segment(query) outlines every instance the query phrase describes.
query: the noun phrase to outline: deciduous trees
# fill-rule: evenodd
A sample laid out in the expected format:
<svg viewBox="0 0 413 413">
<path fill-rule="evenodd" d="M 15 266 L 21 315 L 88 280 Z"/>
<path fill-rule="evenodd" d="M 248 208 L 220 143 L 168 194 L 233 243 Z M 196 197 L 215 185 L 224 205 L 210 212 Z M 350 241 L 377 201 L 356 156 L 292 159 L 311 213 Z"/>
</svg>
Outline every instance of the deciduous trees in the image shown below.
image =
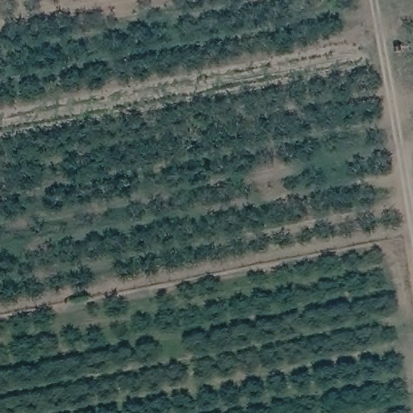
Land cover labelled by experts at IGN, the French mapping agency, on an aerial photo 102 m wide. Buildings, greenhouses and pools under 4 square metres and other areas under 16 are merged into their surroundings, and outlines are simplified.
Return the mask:
<svg viewBox="0 0 413 413">
<path fill-rule="evenodd" d="M 381 248 L 361 260 L 357 255 L 348 255 L 345 260 L 327 257 L 319 260 L 316 265 L 297 266 L 295 271 L 298 276 L 310 276 L 313 271 L 318 273 L 318 281 L 310 286 L 290 282 L 287 286 L 271 290 L 257 287 L 250 295 L 234 294 L 232 297 L 218 300 L 206 300 L 205 305 L 200 307 L 187 305 L 184 308 L 174 308 L 174 298 L 166 290 L 165 295 L 156 300 L 156 313 L 136 311 L 131 321 L 110 324 L 111 331 L 119 340 L 115 345 L 106 342 L 102 329 L 90 332 L 87 331 L 87 327 L 73 327 L 73 331 L 68 334 L 63 331 L 50 331 L 50 319 L 55 318 L 55 311 L 52 308 L 40 313 L 26 311 L 26 316 L 13 326 L 13 337 L 10 342 L 0 344 L 0 413 L 394 413 L 407 408 L 405 405 L 392 403 L 395 398 L 403 398 L 408 394 L 407 381 L 403 378 L 392 378 L 387 382 L 365 381 L 360 386 L 347 384 L 332 387 L 324 390 L 323 395 L 273 397 L 269 403 L 261 403 L 260 397 L 265 390 L 281 392 L 290 382 L 297 389 L 310 386 L 310 381 L 315 381 L 321 387 L 324 382 L 357 379 L 360 374 L 365 373 L 381 374 L 402 365 L 402 353 L 398 357 L 387 358 L 384 353 L 378 355 L 368 352 L 361 353 L 360 357 L 353 360 L 352 365 L 345 363 L 337 366 L 337 361 L 332 361 L 331 368 L 313 369 L 311 365 L 307 366 L 307 373 L 300 376 L 279 371 L 282 363 L 311 360 L 316 363 L 319 360 L 329 360 L 331 353 L 339 350 L 353 352 L 357 350 L 358 345 L 382 344 L 387 340 L 397 339 L 394 326 L 381 323 L 384 316 L 394 315 L 397 311 L 398 300 L 395 290 L 379 290 L 361 297 L 337 297 L 332 300 L 326 298 L 327 292 L 365 289 L 368 276 L 376 276 L 381 268 L 363 273 L 358 271 L 358 265 L 361 261 L 381 263 L 384 260 L 384 253 Z M 144 329 L 148 332 L 150 327 L 165 332 L 179 332 L 184 348 L 192 353 L 192 360 L 182 363 L 176 358 L 171 358 L 168 363 L 142 366 L 134 371 L 116 371 L 98 378 L 63 381 L 63 376 L 79 373 L 82 368 L 98 369 L 121 363 L 126 365 L 132 361 L 144 363 L 150 358 L 160 357 L 160 340 L 153 339 L 152 336 L 139 337 L 136 344 L 127 342 L 132 332 Z M 87 342 L 89 348 L 82 352 L 71 350 L 61 353 L 58 350 L 58 337 L 63 336 L 68 345 Z M 224 374 L 244 371 L 244 381 L 223 382 L 218 389 L 203 384 L 198 387 L 197 394 L 187 392 L 184 397 L 174 397 L 171 392 L 160 392 L 147 397 L 126 397 L 123 408 L 118 410 L 116 407 L 116 386 L 129 390 L 156 389 L 166 382 L 176 384 L 184 381 L 187 371 L 194 371 L 195 378 L 218 378 Z"/>
<path fill-rule="evenodd" d="M 366 142 L 374 148 L 371 156 L 368 158 L 353 155 L 353 161 L 347 161 L 348 177 L 378 176 L 390 173 L 392 169 L 392 155 L 386 147 L 387 134 L 384 129 L 379 129 L 366 131 Z"/>
<path fill-rule="evenodd" d="M 126 232 L 105 229 L 102 234 L 89 232 L 81 240 L 63 237 L 53 244 L 52 240 L 45 240 L 37 245 L 37 250 L 23 250 L 18 257 L 6 250 L 0 252 L 0 303 L 16 302 L 19 297 L 39 297 L 44 292 L 65 287 L 90 286 L 94 282 L 94 273 L 82 265 L 82 257 L 97 260 L 98 257 L 108 255 L 113 260 L 116 276 L 119 279 L 127 279 L 136 277 L 137 274 L 155 274 L 161 268 L 177 269 L 198 261 L 226 260 L 229 257 L 242 257 L 245 253 L 263 252 L 268 245 L 286 247 L 305 244 L 313 237 L 329 239 L 334 236 L 352 236 L 353 232 L 371 232 L 378 226 L 397 227 L 402 223 L 402 216 L 394 208 L 382 211 L 381 218 L 374 218 L 371 211 L 363 211 L 358 213 L 357 218 L 345 218 L 344 223 L 316 223 L 313 227 L 305 227 L 298 234 L 274 232 L 269 236 L 261 234 L 252 240 L 237 239 L 223 245 L 192 247 L 192 240 L 195 237 L 206 239 L 223 234 L 236 234 L 244 229 L 253 231 L 255 227 L 297 223 L 307 216 L 307 205 L 313 206 L 313 213 L 340 213 L 350 210 L 352 206 L 374 205 L 378 197 L 376 187 L 373 186 L 357 184 L 329 187 L 327 190 L 315 190 L 311 194 L 287 195 L 286 198 L 277 198 L 260 206 L 232 206 L 227 210 L 210 211 L 198 218 L 182 216 L 156 219 L 144 226 L 132 227 L 131 231 Z M 35 279 L 34 269 L 42 269 L 53 263 L 76 263 L 79 271 L 55 274 L 39 281 Z"/>
<path fill-rule="evenodd" d="M 136 190 L 145 190 L 155 184 L 166 186 L 168 200 L 163 200 L 161 194 L 156 194 L 148 197 L 148 203 L 129 202 L 123 208 L 108 208 L 103 211 L 103 216 L 115 221 L 156 215 L 169 206 L 173 210 L 187 210 L 192 203 L 211 205 L 231 202 L 232 198 L 250 195 L 250 186 L 245 184 L 245 176 L 252 173 L 253 169 L 277 160 L 290 163 L 294 160 L 311 160 L 319 145 L 316 137 L 307 137 L 295 144 L 261 148 L 258 152 L 248 153 L 245 152 L 245 140 L 265 142 L 279 137 L 295 136 L 302 129 L 310 131 L 316 127 L 336 127 L 340 124 L 379 119 L 382 116 L 382 98 L 378 97 L 378 89 L 382 86 L 382 77 L 379 71 L 374 69 L 373 65 L 363 65 L 353 68 L 352 71 L 331 71 L 324 77 L 313 76 L 310 81 L 303 79 L 300 73 L 295 81 L 287 84 L 271 84 L 261 89 L 245 87 L 239 94 L 210 97 L 198 92 L 192 95 L 190 102 L 177 102 L 163 106 L 160 110 L 142 113 L 139 110 L 131 110 L 129 115 L 106 115 L 102 119 L 95 119 L 84 113 L 82 118 L 74 119 L 73 123 L 40 127 L 24 134 L 21 132 L 16 136 L 0 137 L 0 216 L 11 219 L 23 216 L 24 219 L 29 219 L 37 215 L 39 210 L 58 211 L 63 206 L 126 197 Z M 286 103 L 292 102 L 295 97 L 319 97 L 324 89 L 332 92 L 332 100 L 303 106 L 305 118 L 298 118 L 294 110 L 286 110 Z M 44 179 L 45 169 L 50 169 L 52 173 L 65 174 L 69 184 L 52 184 L 45 189 L 42 197 L 27 197 L 26 190 L 39 186 Z"/>
<path fill-rule="evenodd" d="M 102 89 L 111 79 L 129 84 L 136 79 L 145 81 L 152 74 L 173 76 L 177 66 L 182 66 L 186 71 L 194 71 L 197 68 L 227 65 L 242 53 L 284 55 L 292 52 L 294 48 L 308 47 L 316 44 L 319 39 L 329 39 L 331 35 L 342 31 L 344 19 L 336 13 L 323 13 L 318 18 L 298 19 L 298 11 L 290 10 L 290 5 L 295 0 L 173 0 L 177 10 L 181 10 L 181 16 L 177 18 L 176 23 L 156 21 L 147 24 L 140 19 L 129 21 L 126 18 L 103 15 L 103 11 L 100 11 L 98 15 L 79 16 L 74 23 L 66 18 L 56 18 L 52 21 L 35 21 L 29 29 L 23 24 L 8 27 L 6 31 L 0 29 L 0 106 L 13 105 L 15 100 L 50 100 L 61 98 L 65 92 Z M 47 68 L 60 61 L 79 58 L 84 53 L 95 55 L 102 50 L 113 56 L 113 61 L 108 63 L 102 60 L 87 61 L 82 66 L 69 66 L 61 69 L 58 74 L 45 77 L 29 74 L 29 68 Z"/>
<path fill-rule="evenodd" d="M 302 173 L 284 177 L 284 187 L 294 189 L 297 186 L 310 187 L 311 184 L 326 182 L 323 169 L 310 166 L 302 169 Z"/>
<path fill-rule="evenodd" d="M 103 298 L 102 302 L 87 303 L 89 315 L 113 316 L 126 313 L 127 298 L 116 295 L 113 298 Z"/>
<path fill-rule="evenodd" d="M 5 24 L 15 21 L 16 0 L 0 0 L 0 16 Z"/>
</svg>

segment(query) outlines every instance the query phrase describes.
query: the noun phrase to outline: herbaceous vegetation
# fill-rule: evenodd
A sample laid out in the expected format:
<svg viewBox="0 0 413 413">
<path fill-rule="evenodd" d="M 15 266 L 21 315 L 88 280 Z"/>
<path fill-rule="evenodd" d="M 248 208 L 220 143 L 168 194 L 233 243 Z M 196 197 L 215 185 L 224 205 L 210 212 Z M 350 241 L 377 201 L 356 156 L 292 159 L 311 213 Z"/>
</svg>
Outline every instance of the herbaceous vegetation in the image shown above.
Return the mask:
<svg viewBox="0 0 413 413">
<path fill-rule="evenodd" d="M 389 48 L 395 86 L 400 84 L 405 89 L 411 89 L 408 94 L 413 97 L 413 0 L 379 0 L 384 23 L 389 29 L 397 31 L 394 45 Z"/>
<path fill-rule="evenodd" d="M 98 257 L 97 260 L 82 257 L 82 265 L 94 273 L 94 282 L 90 286 L 65 287 L 44 292 L 39 297 L 19 297 L 16 302 L 0 303 L 0 344 L 10 342 L 13 337 L 13 326 L 26 316 L 26 311 L 40 313 L 52 308 L 55 311 L 55 318 L 50 319 L 50 331 L 63 331 L 68 334 L 73 331 L 73 327 L 87 327 L 87 331 L 90 332 L 102 329 L 106 342 L 115 345 L 119 340 L 111 331 L 110 324 L 131 321 L 136 311 L 156 313 L 156 300 L 165 295 L 166 290 L 174 298 L 174 308 L 184 308 L 187 305 L 200 307 L 205 305 L 206 300 L 218 300 L 232 297 L 234 294 L 250 295 L 257 287 L 271 290 L 287 286 L 290 282 L 310 286 L 318 281 L 318 273 L 313 271 L 310 276 L 298 276 L 295 271 L 297 266 L 316 265 L 319 260 L 327 257 L 345 260 L 348 255 L 357 255 L 361 260 L 381 248 L 384 253 L 384 260 L 381 263 L 361 261 L 358 265 L 358 271 L 363 273 L 381 268 L 376 276 L 368 276 L 365 289 L 327 292 L 326 298 L 332 300 L 337 297 L 361 297 L 379 290 L 395 290 L 398 300 L 397 311 L 394 315 L 384 316 L 381 323 L 394 326 L 397 339 L 387 340 L 382 344 L 358 345 L 357 350 L 353 352 L 339 350 L 331 353 L 329 360 L 319 360 L 316 363 L 311 360 L 282 363 L 279 371 L 300 376 L 307 373 L 307 366 L 311 365 L 313 369 L 331 368 L 332 361 L 337 361 L 337 366 L 345 363 L 352 365 L 353 360 L 360 357 L 361 353 L 368 352 L 378 355 L 384 353 L 387 358 L 398 357 L 402 353 L 402 365 L 381 374 L 365 373 L 360 374 L 357 379 L 324 382 L 321 387 L 315 381 L 310 381 L 310 386 L 297 389 L 290 382 L 281 392 L 265 390 L 260 397 L 261 403 L 269 403 L 273 397 L 323 395 L 324 390 L 332 387 L 347 384 L 360 386 L 365 381 L 387 382 L 392 378 L 403 378 L 407 381 L 408 394 L 403 398 L 395 398 L 392 403 L 405 405 L 407 408 L 394 413 L 413 413 L 413 290 L 407 253 L 410 250 L 410 234 L 408 227 L 402 223 L 397 227 L 378 226 L 371 232 L 353 232 L 352 236 L 334 236 L 329 239 L 313 237 L 305 244 L 286 247 L 268 245 L 263 252 L 245 253 L 242 257 L 229 257 L 226 260 L 198 261 L 177 269 L 161 268 L 155 274 L 137 274 L 136 277 L 127 279 L 119 279 L 116 276 L 113 260 L 108 255 Z M 87 303 L 102 302 L 103 298 L 113 298 L 116 295 L 127 298 L 126 313 L 113 316 L 89 315 Z"/>
<path fill-rule="evenodd" d="M 184 348 L 179 332 L 165 332 L 150 327 L 148 332 L 144 329 L 132 332 L 127 342 L 136 344 L 139 337 L 152 336 L 153 339 L 160 340 L 160 357 L 150 358 L 144 363 L 132 361 L 126 365 L 121 363 L 98 369 L 82 368 L 79 373 L 63 376 L 63 381 L 98 378 L 116 371 L 134 371 L 142 366 L 168 363 L 171 358 L 176 358 L 182 363 L 192 360 L 192 353 Z"/>
<path fill-rule="evenodd" d="M 52 173 L 50 169 L 45 169 L 44 179 L 39 186 L 26 190 L 27 197 L 42 197 L 45 189 L 52 184 L 69 184 L 65 174 Z"/>
<path fill-rule="evenodd" d="M 156 21 L 176 23 L 177 18 L 181 16 L 181 10 L 177 10 L 173 0 L 16 0 L 15 21 L 5 24 L 0 16 L 0 29 L 6 31 L 8 27 L 23 24 L 29 29 L 35 21 L 52 21 L 56 18 L 66 18 L 74 23 L 79 16 L 98 15 L 100 11 L 103 11 L 103 15 L 126 18 L 129 21 L 140 19 L 147 24 Z"/>
<path fill-rule="evenodd" d="M 65 92 L 61 98 L 50 100 L 15 100 L 13 105 L 0 106 L 0 137 L 16 136 L 21 132 L 24 134 L 40 127 L 73 123 L 74 119 L 82 118 L 84 113 L 95 119 L 102 119 L 106 115 L 129 115 L 131 110 L 139 110 L 142 113 L 160 110 L 163 106 L 177 102 L 190 102 L 192 95 L 198 92 L 210 97 L 239 94 L 245 87 L 261 89 L 271 84 L 287 84 L 295 81 L 300 73 L 303 79 L 310 81 L 313 76 L 324 77 L 331 71 L 352 71 L 353 68 L 363 65 L 373 65 L 374 69 L 379 71 L 381 68 L 378 45 L 368 0 L 295 0 L 290 5 L 290 10 L 298 11 L 298 19 L 318 18 L 323 13 L 336 13 L 344 19 L 342 31 L 331 35 L 329 39 L 319 39 L 316 44 L 308 47 L 294 48 L 292 52 L 284 55 L 242 53 L 227 65 L 197 68 L 194 71 L 186 71 L 182 66 L 177 66 L 173 76 L 152 74 L 145 81 L 136 79 L 129 84 L 111 79 L 102 89 Z"/>
<path fill-rule="evenodd" d="M 39 281 L 55 274 L 79 271 L 76 263 L 53 263 L 42 269 L 34 269 L 35 279 Z"/>
<path fill-rule="evenodd" d="M 203 384 L 218 389 L 223 382 L 244 381 L 244 371 L 224 374 L 218 378 L 195 378 L 194 371 L 187 371 L 184 381 L 176 384 L 166 382 L 156 389 L 129 390 L 116 386 L 116 407 L 118 410 L 123 408 L 126 397 L 147 397 L 160 392 L 171 392 L 174 397 L 184 397 L 187 392 L 197 394 L 198 387 Z"/>
<path fill-rule="evenodd" d="M 286 103 L 286 110 L 294 110 L 298 118 L 305 118 L 303 106 L 332 100 L 332 92 L 324 89 L 319 97 L 295 97 L 292 102 Z"/>
<path fill-rule="evenodd" d="M 252 240 L 261 234 L 269 236 L 274 232 L 298 234 L 305 227 L 313 227 L 316 223 L 344 223 L 345 218 L 357 218 L 358 213 L 363 211 L 371 211 L 374 218 L 381 218 L 382 211 L 394 208 L 387 200 L 389 189 L 376 187 L 378 197 L 374 205 L 352 206 L 350 210 L 340 213 L 313 213 L 313 206 L 307 205 L 307 216 L 297 223 L 255 227 L 253 231 L 244 229 L 236 234 L 223 234 L 206 239 L 195 237 L 192 240 L 192 247 L 223 245 L 237 239 Z"/>
<path fill-rule="evenodd" d="M 108 63 L 113 61 L 113 56 L 102 50 L 95 55 L 84 53 L 79 58 L 60 61 L 47 68 L 29 68 L 29 74 L 45 77 L 58 74 L 61 69 L 69 66 L 82 66 L 87 61 L 102 60 Z"/>
<path fill-rule="evenodd" d="M 58 350 L 61 353 L 71 350 L 82 352 L 89 348 L 87 342 L 68 345 L 63 336 L 58 337 Z"/>
<path fill-rule="evenodd" d="M 103 216 L 103 211 L 108 208 L 123 208 L 129 202 L 148 203 L 148 197 L 156 194 L 161 194 L 163 200 L 168 200 L 166 186 L 155 184 L 145 190 L 136 190 L 126 197 L 63 206 L 58 211 L 39 210 L 37 215 L 29 219 L 24 219 L 23 216 L 11 219 L 0 216 L 0 252 L 6 250 L 18 257 L 23 250 L 37 250 L 37 245 L 45 240 L 52 240 L 53 244 L 63 237 L 81 240 L 89 232 L 102 234 L 105 229 L 126 232 L 131 231 L 132 227 L 144 226 L 156 219 L 182 216 L 198 218 L 210 211 L 227 210 L 232 206 L 260 206 L 277 198 L 286 198 L 287 195 L 311 194 L 315 190 L 327 190 L 329 187 L 357 184 L 373 186 L 378 176 L 348 177 L 347 161 L 353 161 L 353 155 L 368 158 L 371 156 L 374 148 L 366 142 L 366 131 L 379 129 L 379 119 L 340 124 L 336 127 L 316 127 L 310 131 L 302 129 L 295 136 L 279 137 L 265 142 L 245 140 L 245 152 L 248 153 L 258 152 L 261 148 L 295 144 L 307 137 L 316 137 L 319 145 L 311 160 L 294 160 L 290 163 L 277 160 L 253 169 L 252 173 L 245 176 L 245 184 L 250 186 L 250 195 L 232 198 L 231 202 L 211 205 L 192 203 L 187 210 L 173 210 L 169 206 L 156 215 L 115 221 Z M 302 169 L 310 166 L 323 169 L 326 182 L 311 184 L 310 187 L 297 186 L 294 189 L 284 187 L 284 177 L 302 173 Z"/>
</svg>

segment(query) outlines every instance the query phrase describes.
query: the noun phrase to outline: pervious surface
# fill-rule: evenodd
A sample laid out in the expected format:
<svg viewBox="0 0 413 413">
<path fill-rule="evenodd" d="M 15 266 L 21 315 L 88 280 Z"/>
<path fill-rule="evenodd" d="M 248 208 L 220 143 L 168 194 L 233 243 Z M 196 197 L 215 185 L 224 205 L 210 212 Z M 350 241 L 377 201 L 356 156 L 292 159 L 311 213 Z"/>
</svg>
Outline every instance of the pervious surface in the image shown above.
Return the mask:
<svg viewBox="0 0 413 413">
<path fill-rule="evenodd" d="M 378 45 L 381 68 L 379 71 L 382 77 L 382 86 L 378 89 L 378 97 L 382 98 L 382 116 L 379 119 L 379 129 L 384 129 L 387 134 L 386 147 L 392 155 L 392 169 L 390 173 L 378 176 L 373 186 L 376 187 L 389 189 L 387 200 L 394 208 L 402 216 L 402 223 L 408 227 L 410 234 L 410 250 L 407 253 L 413 290 L 413 97 L 408 94 L 411 89 L 405 89 L 400 84 L 395 86 L 389 48 L 394 45 L 397 31 L 389 29 L 384 23 L 379 0 L 368 0 Z"/>
</svg>

